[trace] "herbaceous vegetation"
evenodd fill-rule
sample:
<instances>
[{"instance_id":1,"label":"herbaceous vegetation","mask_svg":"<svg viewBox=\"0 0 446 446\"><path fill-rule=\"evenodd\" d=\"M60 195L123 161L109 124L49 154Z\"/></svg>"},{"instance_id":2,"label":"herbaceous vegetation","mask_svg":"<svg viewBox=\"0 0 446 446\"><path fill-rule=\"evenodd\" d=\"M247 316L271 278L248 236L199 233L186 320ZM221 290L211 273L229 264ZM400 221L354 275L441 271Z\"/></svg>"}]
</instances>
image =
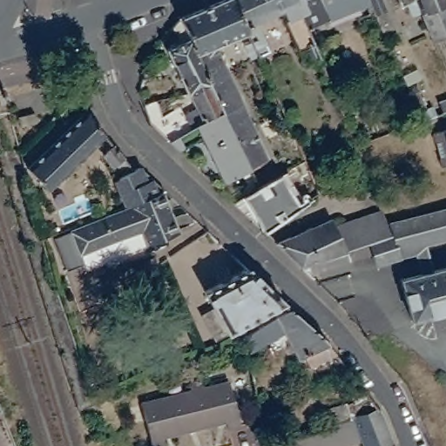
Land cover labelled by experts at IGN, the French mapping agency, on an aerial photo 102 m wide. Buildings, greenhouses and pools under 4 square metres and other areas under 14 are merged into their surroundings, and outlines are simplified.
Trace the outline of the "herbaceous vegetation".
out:
<instances>
[{"instance_id":1,"label":"herbaceous vegetation","mask_svg":"<svg viewBox=\"0 0 446 446\"><path fill-rule=\"evenodd\" d=\"M434 183L432 190L423 195L423 206L413 206L409 195L399 193L399 199L390 206L383 207L382 211L387 213L387 223L394 223L446 209L446 167L437 162L437 157L441 155L437 150L434 152L432 134L415 139L408 146L399 136L385 134L383 129L387 124L371 125L373 155L390 157L392 153L397 153L392 162L392 171L399 179L399 185L406 185L408 178L423 178L427 172Z\"/></svg>"},{"instance_id":2,"label":"herbaceous vegetation","mask_svg":"<svg viewBox=\"0 0 446 446\"><path fill-rule=\"evenodd\" d=\"M103 143L101 150L89 155L77 171L71 172L70 176L64 179L57 190L52 193L47 190L44 192L47 200L54 206L54 213L45 211L45 206L42 206L40 211L44 214L45 220L56 223L57 232L61 232L63 225L64 211L77 206L78 202L89 202L91 216L105 218L106 213L110 213L113 209L113 199L118 197L118 192L113 190L113 183L127 174L138 171L141 166L136 157L131 157L127 160L129 166L113 169L106 160L110 145Z\"/></svg>"},{"instance_id":3,"label":"herbaceous vegetation","mask_svg":"<svg viewBox=\"0 0 446 446\"><path fill-rule=\"evenodd\" d=\"M303 422L301 432L307 437L310 437L308 434L312 418L333 409L341 406L340 401L322 404L315 402L314 397L308 397L298 408L294 408L294 416Z\"/></svg>"},{"instance_id":4,"label":"herbaceous vegetation","mask_svg":"<svg viewBox=\"0 0 446 446\"><path fill-rule=\"evenodd\" d=\"M0 446L17 446L12 429L21 420L21 395L12 383L7 355L3 355L0 347Z\"/></svg>"},{"instance_id":5,"label":"herbaceous vegetation","mask_svg":"<svg viewBox=\"0 0 446 446\"><path fill-rule=\"evenodd\" d=\"M240 59L232 68L233 75L230 78L237 87L244 106L253 103L253 91L249 80L260 73L260 68L254 66L254 59Z\"/></svg>"},{"instance_id":6,"label":"herbaceous vegetation","mask_svg":"<svg viewBox=\"0 0 446 446\"><path fill-rule=\"evenodd\" d=\"M17 240L24 246L28 246L28 240L37 235L26 218L26 209L19 193L19 186L24 185L23 178L26 176L19 159L17 152L3 152L0 162L0 178L2 178L3 174L17 176L16 185L12 185L12 197L21 218L16 218Z\"/></svg>"},{"instance_id":7,"label":"herbaceous vegetation","mask_svg":"<svg viewBox=\"0 0 446 446\"><path fill-rule=\"evenodd\" d=\"M218 446L225 430L223 425L220 425L181 437L172 437L167 441L167 446Z\"/></svg>"},{"instance_id":8,"label":"herbaceous vegetation","mask_svg":"<svg viewBox=\"0 0 446 446\"><path fill-rule=\"evenodd\" d=\"M322 92L314 68L308 68L307 64L300 63L294 49L287 45L282 51L274 52L272 57L274 61L279 61L280 57L286 54L291 57L294 68L289 71L287 78L293 82L296 89L291 99L294 99L300 108L300 124L305 129L319 129L319 132L312 136L312 145L307 146L305 150L296 139L282 136L277 132L272 138L277 143L274 159L260 171L254 172L251 178L240 179L239 183L232 185L226 185L223 178L214 181L216 193L220 193L218 202L221 206L237 207L237 202L265 188L275 179L282 178L289 169L300 164L307 164L310 174L303 183L296 181L294 188L298 190L298 199L303 200L305 195L308 195L310 199L317 195L315 174L319 174L322 157L334 155L345 145L345 139L341 138L343 125L340 125L338 113L328 96Z\"/></svg>"},{"instance_id":9,"label":"herbaceous vegetation","mask_svg":"<svg viewBox=\"0 0 446 446\"><path fill-rule=\"evenodd\" d=\"M268 399L263 404L260 418L251 427L260 446L287 446L284 418L291 408L277 397Z\"/></svg>"},{"instance_id":10,"label":"herbaceous vegetation","mask_svg":"<svg viewBox=\"0 0 446 446\"><path fill-rule=\"evenodd\" d=\"M31 92L33 84L30 82L5 87L7 96L2 98L0 94L0 120L10 143L19 145L21 139L24 134L19 131L21 124L17 111L21 108L12 101L16 96Z\"/></svg>"},{"instance_id":11,"label":"herbaceous vegetation","mask_svg":"<svg viewBox=\"0 0 446 446\"><path fill-rule=\"evenodd\" d=\"M87 321L85 308L78 312L70 312L68 301L61 305L56 293L52 293L47 286L40 267L40 254L31 258L24 254L38 310L44 321L59 376L63 380L66 402L80 430L80 446L101 446L99 441L85 441L85 434L89 429L82 418L82 411L101 411L106 423L110 423L111 427L118 427L120 418L117 408L120 404L129 404L134 416L134 425L129 430L129 436L134 437L132 446L153 446L150 439L146 439L139 402L155 401L166 394L155 392L155 383L150 382L138 385L131 394L120 395L110 402L101 401L98 395L87 399L80 385L85 383L84 373L94 362L91 347L94 345L98 341L98 336L94 329L84 328L84 322Z\"/></svg>"},{"instance_id":12,"label":"herbaceous vegetation","mask_svg":"<svg viewBox=\"0 0 446 446\"><path fill-rule=\"evenodd\" d=\"M345 373L357 375L357 369L350 362L350 352L338 355L331 366L314 373L314 382L319 382L324 376L343 376Z\"/></svg>"},{"instance_id":13,"label":"herbaceous vegetation","mask_svg":"<svg viewBox=\"0 0 446 446\"><path fill-rule=\"evenodd\" d=\"M261 373L249 376L246 373L237 373L233 366L230 366L225 369L223 375L211 378L211 382L218 385L228 380L233 389L239 389L239 406L246 401L254 401L254 387L265 389L268 385L284 385L287 380L287 368L296 359L296 355L291 355L291 348L287 345L280 348L277 354L270 354L263 362Z\"/></svg>"},{"instance_id":14,"label":"herbaceous vegetation","mask_svg":"<svg viewBox=\"0 0 446 446\"><path fill-rule=\"evenodd\" d=\"M141 99L145 99L150 98L152 94L162 94L176 87L185 89L185 80L178 80L176 77L174 61L169 63L166 70L157 71L152 80L143 77Z\"/></svg>"},{"instance_id":15,"label":"herbaceous vegetation","mask_svg":"<svg viewBox=\"0 0 446 446\"><path fill-rule=\"evenodd\" d=\"M420 366L416 355L408 350L406 345L401 345L395 340L392 334L371 336L376 357L387 362L406 385L409 397L415 404L416 413L422 418L422 425L418 429L427 439L427 446L446 446L446 375L443 375L443 369L437 369L434 373L427 366Z\"/></svg>"},{"instance_id":16,"label":"herbaceous vegetation","mask_svg":"<svg viewBox=\"0 0 446 446\"><path fill-rule=\"evenodd\" d=\"M418 92L415 91L415 87L406 85L397 91L387 92L385 101L394 101L397 111L411 113L418 110L422 105L416 96Z\"/></svg>"}]
</instances>

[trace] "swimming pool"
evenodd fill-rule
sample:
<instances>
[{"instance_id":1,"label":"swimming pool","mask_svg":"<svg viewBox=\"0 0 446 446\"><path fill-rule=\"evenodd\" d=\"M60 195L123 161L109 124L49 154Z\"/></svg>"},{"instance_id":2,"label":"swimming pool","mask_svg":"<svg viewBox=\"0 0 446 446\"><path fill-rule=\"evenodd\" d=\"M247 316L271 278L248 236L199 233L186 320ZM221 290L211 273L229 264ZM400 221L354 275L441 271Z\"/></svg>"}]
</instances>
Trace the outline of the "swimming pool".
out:
<instances>
[{"instance_id":1,"label":"swimming pool","mask_svg":"<svg viewBox=\"0 0 446 446\"><path fill-rule=\"evenodd\" d=\"M89 202L78 202L77 206L64 211L63 225L91 216Z\"/></svg>"}]
</instances>

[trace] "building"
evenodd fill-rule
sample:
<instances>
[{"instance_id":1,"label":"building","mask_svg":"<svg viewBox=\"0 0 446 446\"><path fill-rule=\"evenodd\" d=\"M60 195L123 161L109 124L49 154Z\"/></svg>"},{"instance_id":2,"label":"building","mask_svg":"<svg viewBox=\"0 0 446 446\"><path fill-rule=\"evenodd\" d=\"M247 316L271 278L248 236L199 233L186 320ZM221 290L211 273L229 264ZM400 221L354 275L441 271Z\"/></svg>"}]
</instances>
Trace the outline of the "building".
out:
<instances>
[{"instance_id":1,"label":"building","mask_svg":"<svg viewBox=\"0 0 446 446\"><path fill-rule=\"evenodd\" d=\"M192 96L195 110L186 115L183 115L181 110L172 111L169 115L162 115L159 103L148 105L146 111L153 127L160 134L167 134L169 139L174 141L174 148L178 152L188 150L188 159L195 159L202 153L206 155L206 164L209 167L206 176L214 181L223 178L226 185L232 185L239 183L240 179L251 178L254 172L260 171L274 159L277 143L272 138L268 138L261 129L258 131L254 127L253 118L247 115L244 106L237 87L230 78L233 75L232 68L226 68L223 63L223 42L228 40L232 44L233 38L239 37L240 33L251 33L254 26L267 23L268 19L287 16L289 24L305 21L310 35L314 37L317 31L336 30L340 24L354 21L362 14L375 17L382 31L395 31L399 35L404 31L406 21L395 19L395 9L402 0L220 0L214 2L211 9L199 10L179 21L185 24L183 33L192 42L169 52L174 61L176 77L178 80L185 80L185 89L185 94Z\"/></svg>"},{"instance_id":2,"label":"building","mask_svg":"<svg viewBox=\"0 0 446 446\"><path fill-rule=\"evenodd\" d=\"M425 37L430 38L432 42L446 38L446 0L416 0L420 7L418 19L427 24Z\"/></svg>"},{"instance_id":3,"label":"building","mask_svg":"<svg viewBox=\"0 0 446 446\"><path fill-rule=\"evenodd\" d=\"M275 301L263 291L263 280L251 282L244 275L235 275L230 284L218 284L216 289L206 291L209 294L207 305L213 305L213 310L200 317L204 321L209 338L214 341L221 340L235 340L247 331L254 341L254 354L263 352L265 347L270 348L270 354L277 354L280 348L287 345L291 348L291 355L296 355L296 359L307 364L308 371L314 373L331 366L338 355L334 354L334 350L326 350L326 341L322 340L321 334L315 333L315 329L303 317L293 314L286 301Z\"/></svg>"},{"instance_id":4,"label":"building","mask_svg":"<svg viewBox=\"0 0 446 446\"><path fill-rule=\"evenodd\" d=\"M300 164L289 169L282 178L275 179L265 188L237 202L237 207L253 221L254 225L265 230L267 237L272 237L289 223L315 213L310 199L308 195L305 195L303 200L298 199L298 190L294 188L296 181L303 183L310 174L307 164Z\"/></svg>"},{"instance_id":5,"label":"building","mask_svg":"<svg viewBox=\"0 0 446 446\"><path fill-rule=\"evenodd\" d=\"M357 406L354 402L341 406L333 409L338 416L338 430L326 436L310 437L307 437L300 439L296 446L392 446L399 437L395 434L387 409L373 411L371 406Z\"/></svg>"},{"instance_id":6,"label":"building","mask_svg":"<svg viewBox=\"0 0 446 446\"><path fill-rule=\"evenodd\" d=\"M33 174L37 176L38 181L44 181L47 190L52 193L57 190L64 179L70 176L71 172L77 171L89 155L101 150L103 143L110 145L106 160L113 169L129 166L127 160L131 157L117 145L117 141L106 132L106 129L99 125L96 115L89 110L84 110L82 113L87 117L84 122L77 122L75 131L66 132L66 139L63 143L56 143L54 153L45 159L38 159L40 166Z\"/></svg>"},{"instance_id":7,"label":"building","mask_svg":"<svg viewBox=\"0 0 446 446\"><path fill-rule=\"evenodd\" d=\"M411 307L409 321L420 321L423 315L430 317L432 314L436 321L446 319L446 268L432 274L416 275L402 280L404 296L408 298Z\"/></svg>"},{"instance_id":8,"label":"building","mask_svg":"<svg viewBox=\"0 0 446 446\"><path fill-rule=\"evenodd\" d=\"M437 162L446 167L446 99L437 101L436 113L430 111L430 101L422 105L418 110L427 111L427 117L436 122L432 134L434 152L437 150L441 155L437 157Z\"/></svg>"},{"instance_id":9,"label":"building","mask_svg":"<svg viewBox=\"0 0 446 446\"><path fill-rule=\"evenodd\" d=\"M174 207L178 206L178 202L174 199L164 200L162 181L153 176L148 167L141 166L138 171L127 174L113 183L113 190L118 192L118 197L113 199L113 209L110 213L106 213L105 218L91 216L63 225L61 232L57 232L54 239L64 270L80 275L87 270L84 265L85 254L94 253L113 242L131 239L134 235L143 235L148 247L153 240L162 239L166 246L169 240L178 239L183 228L179 228L181 216L174 214Z\"/></svg>"},{"instance_id":10,"label":"building","mask_svg":"<svg viewBox=\"0 0 446 446\"><path fill-rule=\"evenodd\" d=\"M153 446L167 446L167 441L172 437L181 437L220 425L223 425L225 430L218 446L242 446L242 443L237 441L237 432L249 427L240 416L239 406L239 389L233 389L228 380L218 385L211 382L202 387L183 387L178 394L166 394L155 401L139 402L146 439L150 439Z\"/></svg>"},{"instance_id":11,"label":"building","mask_svg":"<svg viewBox=\"0 0 446 446\"><path fill-rule=\"evenodd\" d=\"M387 213L382 211L378 209L376 213L359 220L347 221L338 228L334 221L324 221L321 225L312 226L305 232L282 240L282 253L286 254L287 261L293 263L298 272L305 272L308 279L322 279L328 275L345 272L348 263L366 260L369 254L375 254L376 267L382 270L411 258L429 260L432 247L446 246L446 209L394 223L387 223Z\"/></svg>"}]
</instances>

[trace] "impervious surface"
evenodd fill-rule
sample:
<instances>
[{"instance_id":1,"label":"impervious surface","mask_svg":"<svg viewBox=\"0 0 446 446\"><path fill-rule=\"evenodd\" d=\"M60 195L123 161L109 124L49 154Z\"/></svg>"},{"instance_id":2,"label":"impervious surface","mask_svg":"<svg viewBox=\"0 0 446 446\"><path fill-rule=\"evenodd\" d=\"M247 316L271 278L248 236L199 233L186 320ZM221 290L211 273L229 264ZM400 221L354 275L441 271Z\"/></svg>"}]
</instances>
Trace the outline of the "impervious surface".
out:
<instances>
[{"instance_id":1,"label":"impervious surface","mask_svg":"<svg viewBox=\"0 0 446 446\"><path fill-rule=\"evenodd\" d=\"M237 441L242 443L242 446L260 446L251 427L249 427L237 432Z\"/></svg>"},{"instance_id":2,"label":"impervious surface","mask_svg":"<svg viewBox=\"0 0 446 446\"><path fill-rule=\"evenodd\" d=\"M183 115L186 115L195 110L192 96L185 94L183 98L172 99L172 111L181 110Z\"/></svg>"},{"instance_id":3,"label":"impervious surface","mask_svg":"<svg viewBox=\"0 0 446 446\"><path fill-rule=\"evenodd\" d=\"M244 106L247 115L253 118L254 127L258 131L261 129L268 138L272 138L277 132L270 129L270 122L261 117L253 103Z\"/></svg>"},{"instance_id":4,"label":"impervious surface","mask_svg":"<svg viewBox=\"0 0 446 446\"><path fill-rule=\"evenodd\" d=\"M334 354L338 355L350 352L350 362L357 369L357 375L362 376L366 390L364 395L354 402L357 406L371 406L373 411L387 409L395 434L399 437L392 446L427 446L427 439L418 429L422 425L422 418L416 413L415 404L409 397L406 385L387 362L376 357L371 336L392 334L395 340L401 345L406 345L408 350L416 355L420 366L427 366L434 373L437 369L443 369L443 375L446 375L446 319L436 321L432 314L430 317L423 315L420 321L409 321L411 307L408 298L404 296L402 280L416 275L432 274L446 268L446 246L432 247L429 260L411 258L382 270L376 267L375 254L369 254L366 260L348 263L345 272L328 275L322 279L308 279L305 272L298 272L293 263L287 261L286 254L282 253L282 240L305 232L312 226L321 225L324 221L334 221L338 228L347 221L359 220L376 213L378 209L371 206L371 193L362 200L334 199L317 195L310 199L315 213L289 223L272 237L267 237L265 230L254 225L253 221L237 207L221 206L218 202L220 193L216 193L214 181L206 176L209 167L206 164L206 155L202 153L195 159L188 159L188 150L178 152L174 148L174 141L169 139L167 134L160 134L153 127L146 111L148 105L145 99L141 99L143 77L145 63L150 61L155 47L162 51L162 54L169 52L192 42L183 33L185 24L179 21L199 10L211 9L214 2L220 0L0 0L0 94L2 98L7 96L5 87L30 82L33 84L31 92L16 96L12 101L21 108L17 111L21 124L19 131L24 134L21 139L23 143L30 143L44 125L49 124L49 113L42 106L42 57L49 52L57 54L61 51L61 45L66 38L80 38L82 35L89 49L96 54L99 68L103 70L103 84L108 85L108 94L101 99L94 96L92 101L96 105L92 105L89 110L96 115L99 125L106 129L106 132L117 141L117 145L131 157L136 157L141 166L148 167L153 176L162 181L164 200L174 199L178 202L178 206L174 207L174 214L181 216L179 228L183 228L178 239L169 240L166 246L162 239L153 240L148 247L143 235L134 235L131 239L113 242L94 253L85 254L84 265L87 270L80 275L64 270L54 239L49 239L52 253L56 261L57 274L64 275L73 294L73 300L68 301L70 312L78 312L85 308L87 321L84 322L84 328L94 329L105 324L103 315L111 312L113 300L118 300L118 287L138 287L139 279L146 279L153 289L159 287L160 280L164 279L164 265L171 265L172 274L178 280L179 289L185 296L186 305L192 315L193 322L199 329L200 338L206 340L209 347L218 348L221 340L214 341L209 338L204 321L200 317L213 310L213 305L207 305L209 294L206 291L216 289L218 284L230 284L235 275L244 275L251 282L263 280L263 291L275 301L286 301L293 314L303 317L315 329L315 333L321 334L322 340L326 341L326 350L334 350ZM139 45L136 56L122 59L118 54L111 52L110 45L113 37L117 35L117 24L131 24L136 37L141 38L143 45Z\"/></svg>"},{"instance_id":5,"label":"impervious surface","mask_svg":"<svg viewBox=\"0 0 446 446\"><path fill-rule=\"evenodd\" d=\"M402 68L406 85L415 87L415 91L418 92L416 96L422 105L430 101L430 111L436 113L437 101L446 99L446 38L432 42L430 38L425 37L427 24L418 19L420 7L416 0L402 0L395 9L395 19L406 21L404 31L399 35L399 44L395 45L395 57L399 63L406 64Z\"/></svg>"},{"instance_id":6,"label":"impervious surface","mask_svg":"<svg viewBox=\"0 0 446 446\"><path fill-rule=\"evenodd\" d=\"M240 59L254 59L272 57L274 52L282 51L287 45L294 49L300 45L301 49L312 51L312 47L317 45L314 37L310 35L305 21L289 24L287 16L268 19L267 23L254 26L251 33L240 33L239 37L233 38L232 44L228 40L223 42L223 63L226 68L232 68Z\"/></svg>"},{"instance_id":7,"label":"impervious surface","mask_svg":"<svg viewBox=\"0 0 446 446\"><path fill-rule=\"evenodd\" d=\"M54 153L56 143L63 143L66 139L66 132L75 131L77 122L84 122L87 117L82 113L84 110L71 111L68 117L61 118L56 129L33 150L33 153L26 159L19 159L26 176L44 192L47 190L44 181L38 181L37 176L33 174L40 166L38 159L45 159Z\"/></svg>"},{"instance_id":8,"label":"impervious surface","mask_svg":"<svg viewBox=\"0 0 446 446\"><path fill-rule=\"evenodd\" d=\"M368 77L368 68L375 66L368 56L364 38L354 28L354 21L340 24L336 30L341 35L343 47L338 47L338 61L328 68L329 82L333 84L333 89L350 85L354 77Z\"/></svg>"}]
</instances>

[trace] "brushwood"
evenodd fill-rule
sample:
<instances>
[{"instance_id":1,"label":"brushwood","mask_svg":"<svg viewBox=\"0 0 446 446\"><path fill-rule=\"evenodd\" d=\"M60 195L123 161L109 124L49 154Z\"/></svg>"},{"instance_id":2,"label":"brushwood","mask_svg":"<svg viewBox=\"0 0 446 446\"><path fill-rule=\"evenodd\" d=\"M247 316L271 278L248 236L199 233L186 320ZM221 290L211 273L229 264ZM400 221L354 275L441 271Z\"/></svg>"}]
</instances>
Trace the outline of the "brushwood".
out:
<instances>
[{"instance_id":1,"label":"brushwood","mask_svg":"<svg viewBox=\"0 0 446 446\"><path fill-rule=\"evenodd\" d=\"M47 286L52 293L56 293L61 305L68 301L73 300L73 294L64 275L57 274L56 261L52 253L40 254L40 267Z\"/></svg>"},{"instance_id":2,"label":"brushwood","mask_svg":"<svg viewBox=\"0 0 446 446\"><path fill-rule=\"evenodd\" d=\"M199 362L202 357L216 354L218 348L209 347L206 340L200 338L199 329L193 322L186 329L186 336L179 336L178 340L171 341L172 352L183 361L185 357L195 357L195 361Z\"/></svg>"},{"instance_id":3,"label":"brushwood","mask_svg":"<svg viewBox=\"0 0 446 446\"><path fill-rule=\"evenodd\" d=\"M162 94L152 94L150 98L145 99L148 105L159 103L162 115L169 115L172 111L172 99L183 98L185 94L185 89L176 87Z\"/></svg>"},{"instance_id":4,"label":"brushwood","mask_svg":"<svg viewBox=\"0 0 446 446\"><path fill-rule=\"evenodd\" d=\"M164 279L166 291L172 291L171 298L178 303L176 317L181 315L183 319L188 319L192 315L186 305L185 296L179 289L178 280L172 274L171 265L164 265Z\"/></svg>"},{"instance_id":5,"label":"brushwood","mask_svg":"<svg viewBox=\"0 0 446 446\"><path fill-rule=\"evenodd\" d=\"M16 218L21 218L12 197L12 185L16 185L17 176L3 174L2 178L2 190L7 195L5 207L10 207Z\"/></svg>"},{"instance_id":6,"label":"brushwood","mask_svg":"<svg viewBox=\"0 0 446 446\"><path fill-rule=\"evenodd\" d=\"M44 125L30 143L23 143L21 139L19 145L10 143L0 120L0 162L3 152L17 152L19 159L26 159L33 153L33 150L56 129L61 118L56 111L49 113L49 124Z\"/></svg>"}]
</instances>

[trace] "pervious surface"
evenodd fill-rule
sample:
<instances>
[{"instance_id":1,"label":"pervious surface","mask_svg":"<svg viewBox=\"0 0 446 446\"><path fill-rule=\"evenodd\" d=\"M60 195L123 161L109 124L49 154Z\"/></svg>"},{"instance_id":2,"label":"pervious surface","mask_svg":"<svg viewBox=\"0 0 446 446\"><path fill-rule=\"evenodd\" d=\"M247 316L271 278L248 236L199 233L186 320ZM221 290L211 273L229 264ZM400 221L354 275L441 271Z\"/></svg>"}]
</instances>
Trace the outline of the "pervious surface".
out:
<instances>
[{"instance_id":1,"label":"pervious surface","mask_svg":"<svg viewBox=\"0 0 446 446\"><path fill-rule=\"evenodd\" d=\"M7 195L2 190L2 178L0 178L0 347L3 355L7 355L12 383L21 395L21 420L26 420L28 427L35 432L37 446L80 446L80 430L66 402L63 380L59 376L44 321L38 310L24 254L24 246L17 240L16 218L10 207L5 207Z\"/></svg>"}]
</instances>

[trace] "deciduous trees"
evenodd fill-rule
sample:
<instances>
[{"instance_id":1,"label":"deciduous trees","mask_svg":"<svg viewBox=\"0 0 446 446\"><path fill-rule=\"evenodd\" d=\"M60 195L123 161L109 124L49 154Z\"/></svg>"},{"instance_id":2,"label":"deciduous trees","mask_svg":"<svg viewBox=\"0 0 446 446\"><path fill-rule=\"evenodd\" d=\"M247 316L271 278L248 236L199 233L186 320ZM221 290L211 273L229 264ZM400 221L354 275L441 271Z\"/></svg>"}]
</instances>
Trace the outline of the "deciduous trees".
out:
<instances>
[{"instance_id":1,"label":"deciduous trees","mask_svg":"<svg viewBox=\"0 0 446 446\"><path fill-rule=\"evenodd\" d=\"M118 427L111 427L110 423L106 423L101 411L82 411L82 418L89 429L85 434L85 441L99 441L101 446L132 446L134 437L129 436L129 430L134 425L134 416L129 404L120 404L117 408L120 418Z\"/></svg>"},{"instance_id":2,"label":"deciduous trees","mask_svg":"<svg viewBox=\"0 0 446 446\"><path fill-rule=\"evenodd\" d=\"M26 420L21 420L12 429L17 446L37 446L35 432L28 427Z\"/></svg>"},{"instance_id":3,"label":"deciduous trees","mask_svg":"<svg viewBox=\"0 0 446 446\"><path fill-rule=\"evenodd\" d=\"M284 385L268 385L265 389L254 387L254 401L246 401L239 406L240 416L249 427L251 427L260 418L263 404L268 399L277 397L291 408L284 418L287 446L296 446L300 439L307 437L301 432L303 422L294 416L294 408L298 408L308 397L314 397L315 402L322 404L340 401L341 406L354 402L364 395L366 390L362 376L357 375L345 373L343 376L324 376L319 382L314 382L314 373L308 371L307 364L296 359L287 368L287 380Z\"/></svg>"},{"instance_id":4,"label":"deciduous trees","mask_svg":"<svg viewBox=\"0 0 446 446\"><path fill-rule=\"evenodd\" d=\"M385 134L399 136L408 146L415 139L432 134L436 122L427 117L427 111L418 110L411 113L397 111L394 101L385 101L387 92L397 91L406 85L402 68L406 64L399 63L395 57L395 45L399 44L399 35L395 31L382 31L375 17L362 14L354 21L354 28L364 38L368 56L375 66L368 68L368 77L354 77L350 85L333 89L333 84L329 82L328 68L338 61L338 47L343 47L341 35L336 30L317 31L314 37L317 45L312 47L312 51L301 49L300 45L294 49L300 63L307 64L308 68L314 68L322 92L328 96L338 113L340 125L343 125L341 138L345 139L345 145L334 155L322 157L319 174L315 174L317 195L334 199L362 200L371 193L371 206L378 209L382 211L383 207L390 206L399 199L399 193L409 195L413 206L423 206L423 195L432 190L434 183L427 172L423 178L408 178L406 185L399 185L399 179L392 171L392 162L397 153L392 153L390 157L373 155L371 125L387 124L383 129Z\"/></svg>"},{"instance_id":5,"label":"deciduous trees","mask_svg":"<svg viewBox=\"0 0 446 446\"><path fill-rule=\"evenodd\" d=\"M261 117L270 122L270 129L277 132L282 136L296 139L305 150L307 146L312 145L312 136L319 132L319 129L305 129L300 124L300 108L294 99L291 99L296 89L293 82L287 78L289 71L294 68L291 57L286 54L280 57L279 61L274 61L272 57L254 59L254 66L260 68L260 73L249 80L253 91L253 103Z\"/></svg>"},{"instance_id":6,"label":"deciduous trees","mask_svg":"<svg viewBox=\"0 0 446 446\"><path fill-rule=\"evenodd\" d=\"M52 253L49 239L54 239L57 232L56 223L45 220L44 214L40 211L42 206L45 206L45 211L54 213L54 206L47 200L44 192L26 176L23 178L24 185L19 186L19 193L26 209L26 218L37 235L28 240L28 246L24 246L24 254L31 258L40 254Z\"/></svg>"},{"instance_id":7,"label":"deciduous trees","mask_svg":"<svg viewBox=\"0 0 446 446\"><path fill-rule=\"evenodd\" d=\"M145 63L143 77L152 80L157 71L166 70L169 63L174 61L169 52L162 54L162 51L155 47L150 61Z\"/></svg>"},{"instance_id":8,"label":"deciduous trees","mask_svg":"<svg viewBox=\"0 0 446 446\"><path fill-rule=\"evenodd\" d=\"M113 37L110 45L111 52L118 54L122 59L136 56L139 45L143 45L141 38L136 37L131 24L117 24L117 35Z\"/></svg>"},{"instance_id":9,"label":"deciduous trees","mask_svg":"<svg viewBox=\"0 0 446 446\"><path fill-rule=\"evenodd\" d=\"M338 430L338 416L333 409L312 418L308 434L310 437L326 436Z\"/></svg>"},{"instance_id":10,"label":"deciduous trees","mask_svg":"<svg viewBox=\"0 0 446 446\"><path fill-rule=\"evenodd\" d=\"M94 362L84 373L85 383L80 385L87 399L98 395L101 401L110 402L120 395L131 394L138 385L150 382L155 383L155 392L166 394L178 394L183 387L202 387L211 382L211 378L223 375L225 369L230 366L233 366L237 373L246 373L249 376L261 373L263 362L270 354L270 348L265 347L263 352L254 354L254 341L247 331L235 340L221 340L218 348L216 354L202 357L199 362L195 361L195 357L185 357L183 361L176 373L166 375L152 375L141 366L129 373L120 373L106 359L105 350L98 350L94 345L91 347Z\"/></svg>"},{"instance_id":11,"label":"deciduous trees","mask_svg":"<svg viewBox=\"0 0 446 446\"><path fill-rule=\"evenodd\" d=\"M80 38L66 38L61 45L61 51L57 54L49 52L42 57L42 106L49 113L56 111L61 118L68 117L71 111L84 110L89 110L92 105L96 105L92 101L94 96L101 99L108 94L108 85L103 84L103 70L99 68L96 54L89 49L82 35Z\"/></svg>"}]
</instances>

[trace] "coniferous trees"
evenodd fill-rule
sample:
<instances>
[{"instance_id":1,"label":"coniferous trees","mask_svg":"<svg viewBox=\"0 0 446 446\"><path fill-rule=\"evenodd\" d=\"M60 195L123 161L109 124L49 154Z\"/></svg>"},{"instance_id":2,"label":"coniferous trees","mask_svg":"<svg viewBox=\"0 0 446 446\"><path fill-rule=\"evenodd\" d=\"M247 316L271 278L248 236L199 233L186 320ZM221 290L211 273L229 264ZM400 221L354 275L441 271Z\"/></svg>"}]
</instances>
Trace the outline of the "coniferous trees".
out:
<instances>
[{"instance_id":1,"label":"coniferous trees","mask_svg":"<svg viewBox=\"0 0 446 446\"><path fill-rule=\"evenodd\" d=\"M98 336L98 341L94 345L98 350L105 350L106 359L120 373L129 373L141 366L152 375L166 375L176 373L183 361L172 352L171 341L178 340L179 336L186 336L186 329L193 322L192 315L188 319L183 319L181 315L176 317L178 303L171 298L172 291L166 291L164 279L160 280L159 287L153 289L146 279L139 279L138 287L118 287L118 300L113 300L111 312L103 315L105 324L94 329Z\"/></svg>"}]
</instances>

